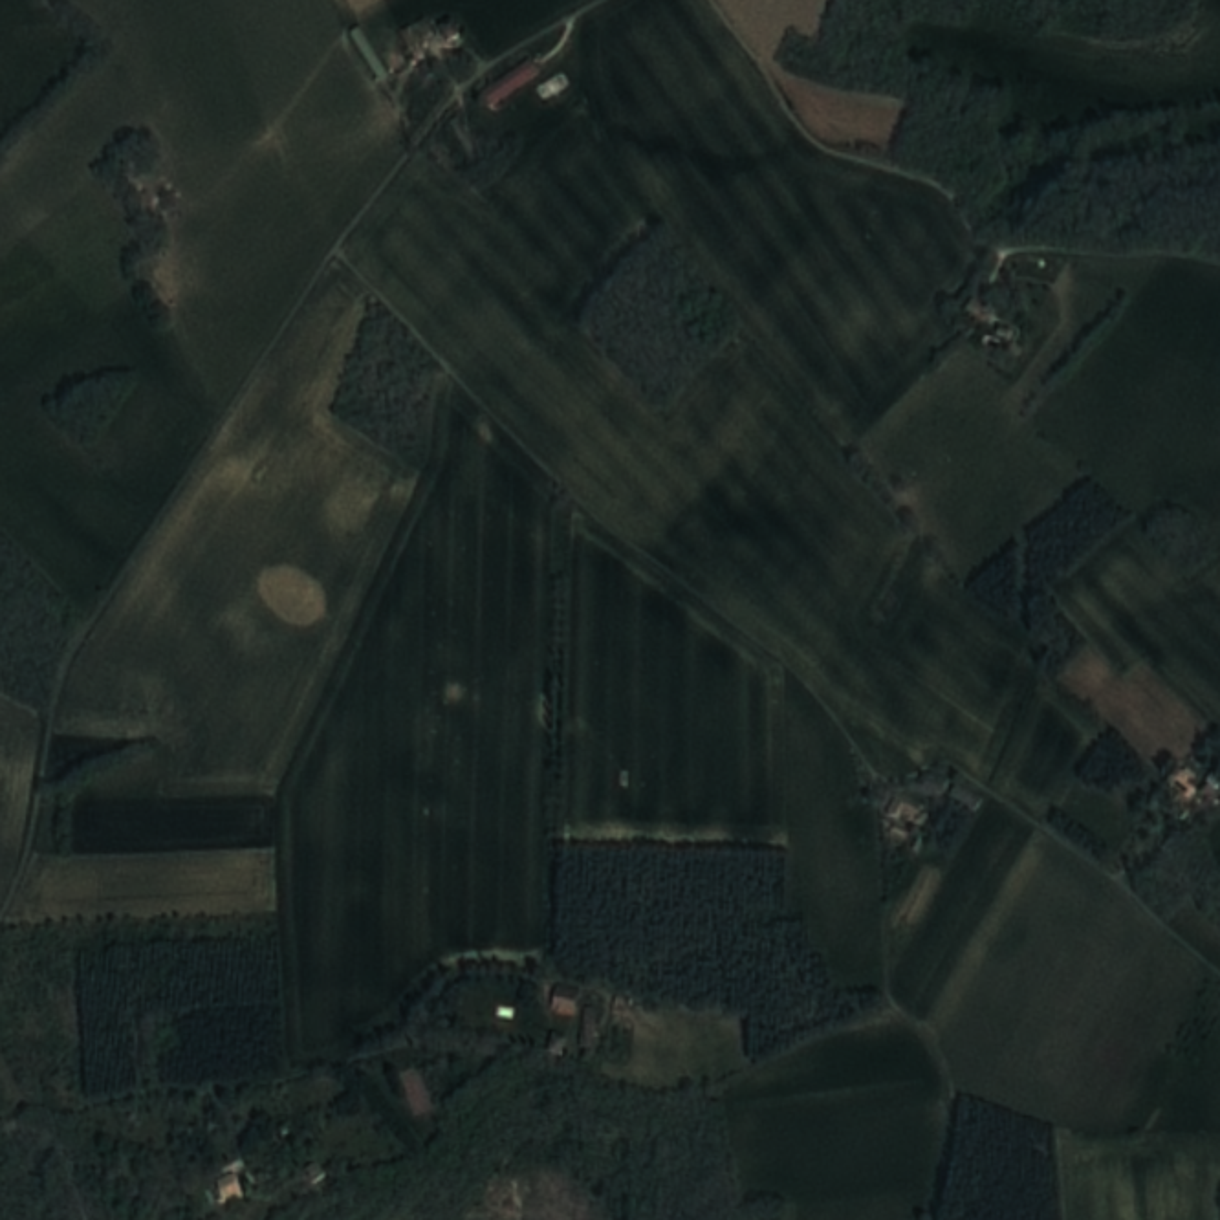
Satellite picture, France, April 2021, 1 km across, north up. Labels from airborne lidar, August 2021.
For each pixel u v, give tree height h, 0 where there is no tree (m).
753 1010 16
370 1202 22
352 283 0
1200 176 17
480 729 0
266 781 0
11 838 0
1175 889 16
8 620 16
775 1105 0
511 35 0
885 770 0
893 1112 0
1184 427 0
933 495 0
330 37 0
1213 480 0
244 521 0
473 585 0
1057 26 25
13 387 0
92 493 0
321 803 0
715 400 0
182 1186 8
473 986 15
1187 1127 0
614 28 0
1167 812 13
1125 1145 0
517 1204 0
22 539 0
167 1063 10
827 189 0
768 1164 0
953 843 17
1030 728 0
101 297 0
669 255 18
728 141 0
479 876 0
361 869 0
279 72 0
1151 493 0
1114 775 14
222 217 0
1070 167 23
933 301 0
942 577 0
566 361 0
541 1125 24
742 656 0
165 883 0
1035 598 16
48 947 6
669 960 10
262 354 0
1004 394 0
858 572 0
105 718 0
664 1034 0
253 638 0
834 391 0
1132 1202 0
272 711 0
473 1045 16
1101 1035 0
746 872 15
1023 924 0
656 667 0
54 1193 26
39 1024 9
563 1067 15
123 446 0
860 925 0
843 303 0
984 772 0
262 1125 14
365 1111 6
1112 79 0
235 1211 12
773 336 0
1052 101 0
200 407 0
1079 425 0
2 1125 11
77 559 0
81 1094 6
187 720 0
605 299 19
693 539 0
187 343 0
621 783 0
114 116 0
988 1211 13
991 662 0
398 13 0
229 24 0
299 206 0
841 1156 0
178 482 0
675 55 0
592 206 0
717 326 16
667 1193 22
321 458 0
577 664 0
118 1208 9
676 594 0
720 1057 0
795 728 0
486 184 12
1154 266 0
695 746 0
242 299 0
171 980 8
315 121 0
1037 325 0
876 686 0
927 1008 0
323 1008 0
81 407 18
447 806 0
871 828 0
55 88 13
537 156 0
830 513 0
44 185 0
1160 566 0
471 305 0
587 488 0
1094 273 0
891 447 0
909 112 11
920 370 0
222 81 0
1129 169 26
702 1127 21
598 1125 23
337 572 0
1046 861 0
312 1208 15
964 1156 15
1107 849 14
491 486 0
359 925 0
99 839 0
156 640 0
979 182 24
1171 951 0
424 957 0
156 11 0
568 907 13
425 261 0
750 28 0
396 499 0
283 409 0
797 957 15
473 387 0
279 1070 8
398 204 0
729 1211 14
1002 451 0
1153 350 0
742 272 0
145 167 17
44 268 0
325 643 0
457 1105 16
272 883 0
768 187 0
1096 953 0
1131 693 0
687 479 0
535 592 0
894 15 25
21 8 0
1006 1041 0
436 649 0
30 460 0
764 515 0
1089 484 11
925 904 0
